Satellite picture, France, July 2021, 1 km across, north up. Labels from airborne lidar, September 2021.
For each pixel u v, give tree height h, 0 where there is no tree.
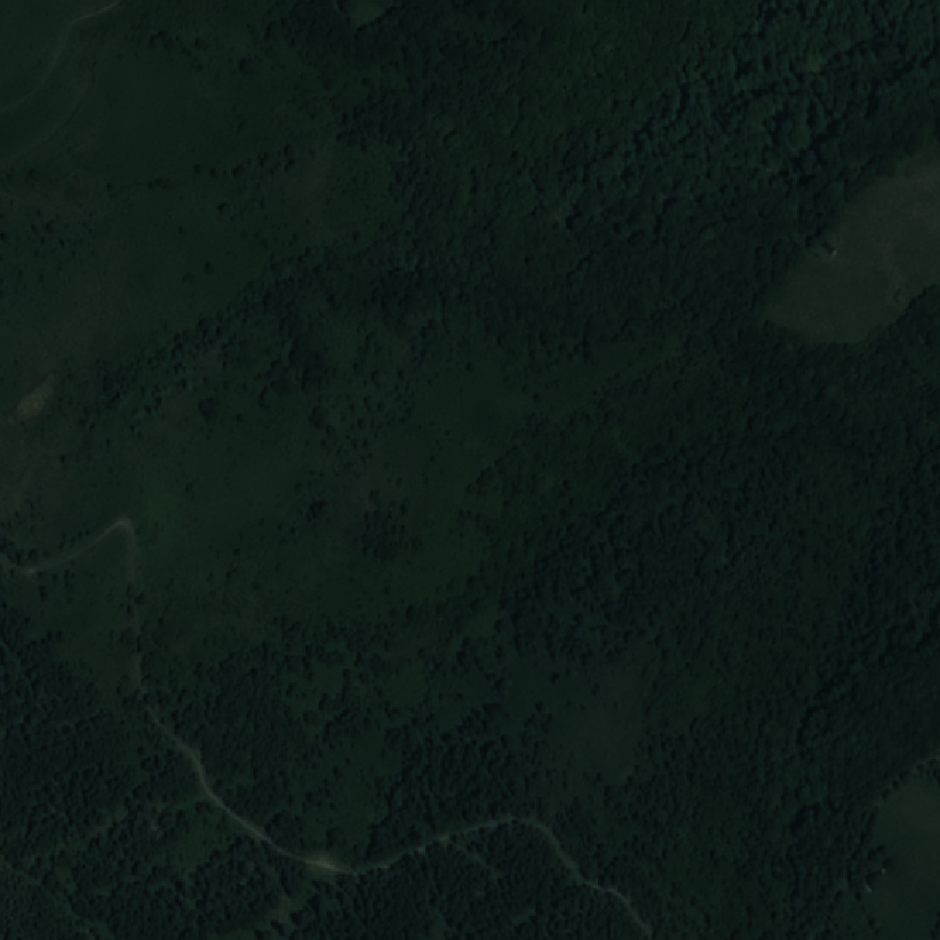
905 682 27
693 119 31
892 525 11
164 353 13
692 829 9
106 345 0
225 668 19
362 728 14
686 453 21
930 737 19
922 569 16
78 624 0
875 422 25
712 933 7
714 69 27
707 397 11
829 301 0
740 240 29
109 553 0
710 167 26
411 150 16
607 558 17
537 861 27
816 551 11
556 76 22
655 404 9
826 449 11
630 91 24
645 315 8
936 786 0
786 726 14
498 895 20
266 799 18
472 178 23
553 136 20
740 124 28
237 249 0
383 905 20
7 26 0
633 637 17
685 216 26
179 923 34
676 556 24
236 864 20
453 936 11
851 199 21
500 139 31
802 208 12
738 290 20
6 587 10
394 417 6
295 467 0
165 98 0
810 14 31
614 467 9
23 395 0
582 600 14
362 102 6
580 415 9
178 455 0
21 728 9
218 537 0
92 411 16
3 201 0
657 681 9
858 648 21
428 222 22
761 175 33
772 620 9
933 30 32
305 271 15
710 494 10
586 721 0
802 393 24
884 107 34
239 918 28
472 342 7
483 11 19
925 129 20
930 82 27
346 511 0
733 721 23
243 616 8
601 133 22
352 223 0
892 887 0
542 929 25
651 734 9
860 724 30
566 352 6
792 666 8
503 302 22
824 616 21
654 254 28
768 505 20
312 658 10
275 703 17
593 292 27
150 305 0
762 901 8
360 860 8
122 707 7
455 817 8
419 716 6
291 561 0
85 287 0
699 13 29
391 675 7
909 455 7
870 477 18
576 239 26
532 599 20
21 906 12
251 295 11
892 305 0
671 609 8
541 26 20
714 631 22
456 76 8
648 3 24
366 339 6
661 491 8
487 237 23
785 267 12
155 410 14
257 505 0
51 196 0
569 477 12
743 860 14
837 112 30
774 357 25
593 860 14
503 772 16
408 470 0
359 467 6
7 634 24
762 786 19
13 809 18
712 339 7
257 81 0
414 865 18
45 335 0
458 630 8
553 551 8
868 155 20
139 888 19
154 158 0
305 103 7
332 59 9
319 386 12
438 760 24
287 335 7
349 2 25
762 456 7
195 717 17
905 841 0
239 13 0
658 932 13
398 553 17
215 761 17
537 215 25
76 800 23
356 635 16
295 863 22
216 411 19
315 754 13
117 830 19
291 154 12
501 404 0
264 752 13
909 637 21
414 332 8
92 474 0
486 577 17
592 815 12
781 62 30
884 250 0
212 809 19
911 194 0
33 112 0
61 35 0
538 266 28
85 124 0
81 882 11
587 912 27
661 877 8
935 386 32
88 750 22
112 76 0
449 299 20
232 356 11
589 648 16
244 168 14
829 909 11
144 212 0
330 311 7
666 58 27
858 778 26
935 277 0
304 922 31
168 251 0
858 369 16
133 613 14
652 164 30
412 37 16
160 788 22
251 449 0
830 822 24
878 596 23
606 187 30
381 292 18
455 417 0
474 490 17
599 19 24
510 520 11
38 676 23
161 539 0
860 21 34
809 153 30
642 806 6
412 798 13
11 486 0
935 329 25
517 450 14
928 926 0
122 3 6
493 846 14
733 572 22
